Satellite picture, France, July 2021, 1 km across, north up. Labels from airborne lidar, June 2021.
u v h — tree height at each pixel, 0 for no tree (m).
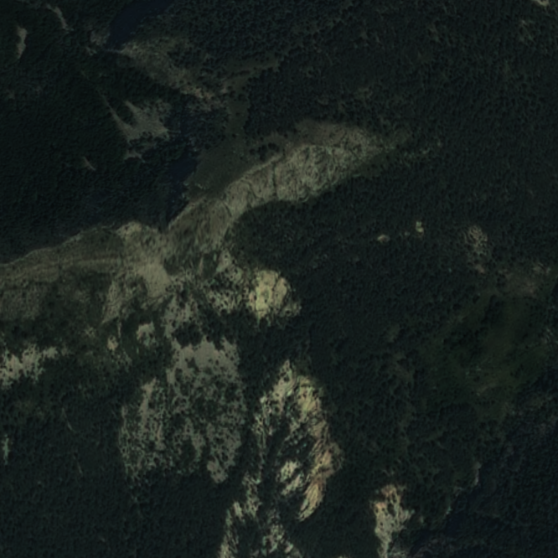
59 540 13
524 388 11
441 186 8
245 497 9
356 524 25
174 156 15
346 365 25
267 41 6
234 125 0
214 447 6
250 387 8
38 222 18
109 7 14
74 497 23
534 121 21
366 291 26
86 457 14
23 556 26
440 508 15
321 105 16
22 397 20
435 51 9
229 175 0
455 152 18
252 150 8
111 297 0
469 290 17
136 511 21
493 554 7
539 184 20
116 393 18
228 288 6
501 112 22
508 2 23
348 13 18
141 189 12
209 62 8
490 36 21
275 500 11
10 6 20
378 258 21
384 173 11
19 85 9
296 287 11
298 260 14
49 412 8
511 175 19
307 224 10
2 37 13
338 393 17
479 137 16
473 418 24
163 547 25
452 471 23
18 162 24
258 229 9
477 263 10
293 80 24
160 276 0
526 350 9
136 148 6
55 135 20
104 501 20
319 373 18
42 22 8
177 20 9
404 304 24
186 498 25
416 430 17
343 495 16
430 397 6
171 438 9
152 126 0
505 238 17
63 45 7
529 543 11
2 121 18
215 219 0
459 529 21
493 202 19
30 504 21
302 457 8
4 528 23
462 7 21
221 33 9
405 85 20
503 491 18
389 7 23
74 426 14
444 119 15
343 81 17
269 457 16
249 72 6
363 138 0
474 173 15
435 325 8
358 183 18
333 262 19
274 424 15
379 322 23
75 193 10
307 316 16
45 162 22
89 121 9
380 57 22
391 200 18
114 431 18
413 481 10
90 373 10
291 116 23
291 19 14
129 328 10
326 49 20
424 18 23
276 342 18
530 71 22
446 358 8
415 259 23
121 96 8
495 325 12
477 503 19
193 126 8
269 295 0
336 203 27
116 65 16
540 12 16
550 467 11
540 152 20
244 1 13
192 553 23
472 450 10
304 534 17
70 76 22
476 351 10
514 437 15
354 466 8
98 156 18
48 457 16
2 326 11
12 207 20
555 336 7
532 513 8
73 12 11
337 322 21
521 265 7
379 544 16
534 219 15
